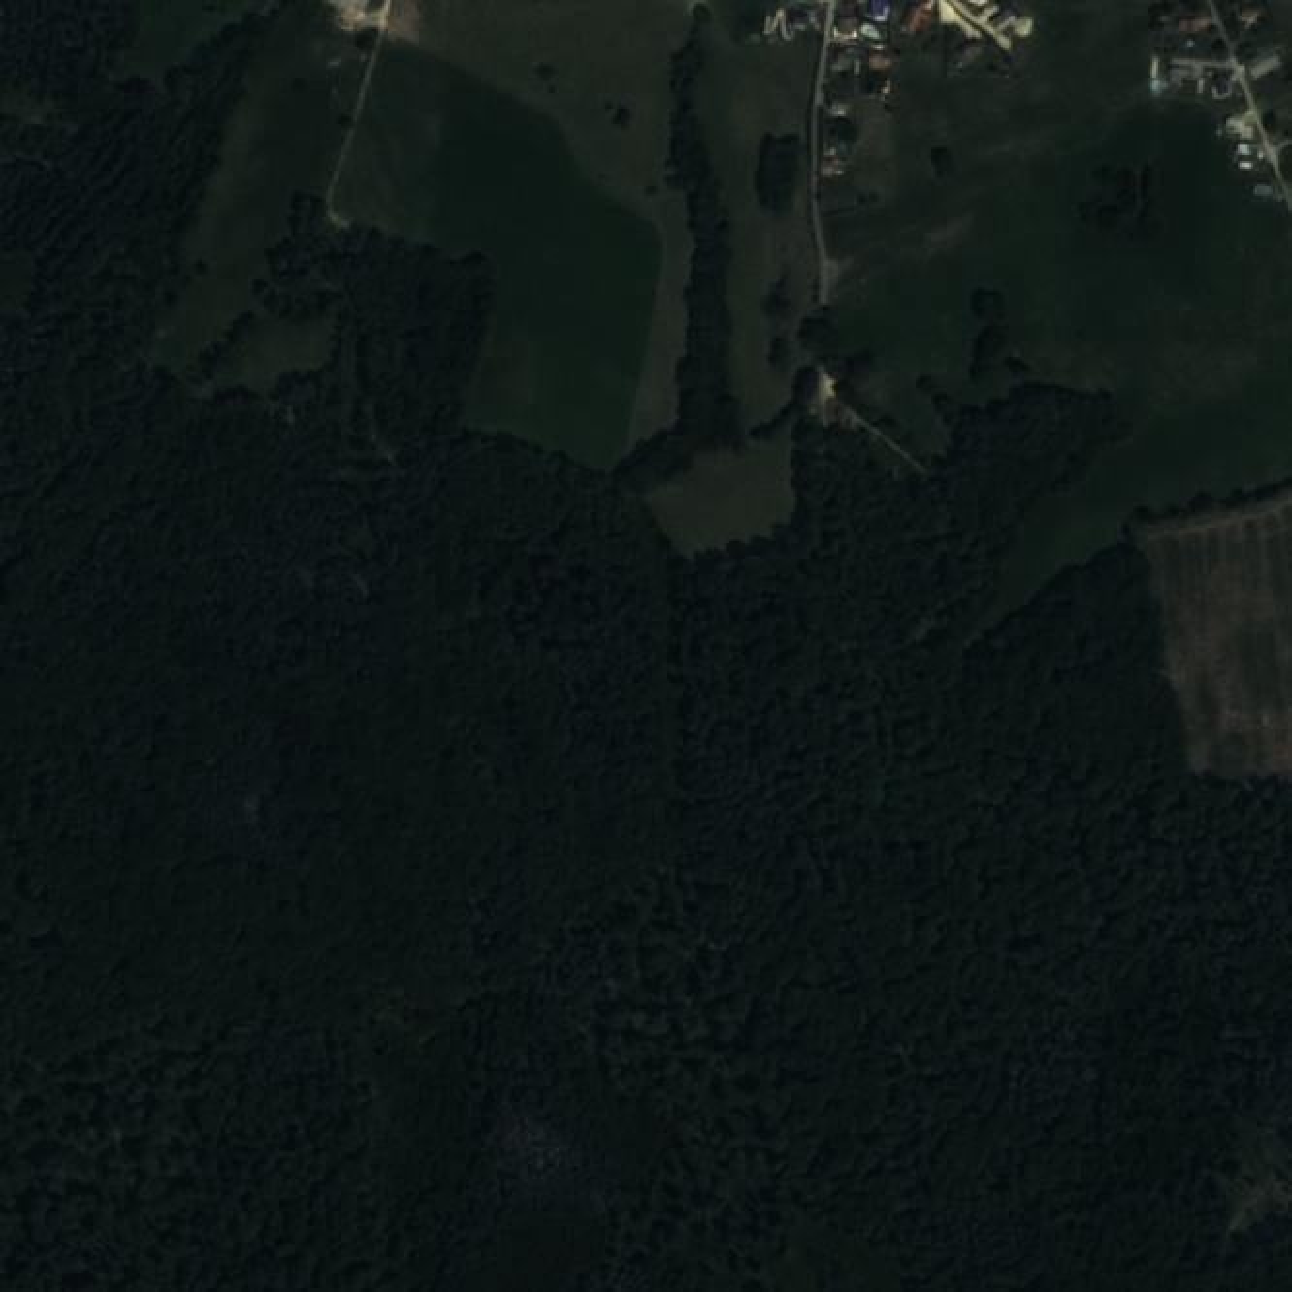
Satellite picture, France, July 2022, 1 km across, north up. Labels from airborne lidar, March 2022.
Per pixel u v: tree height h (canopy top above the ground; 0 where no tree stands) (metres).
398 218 0
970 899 29
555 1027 18
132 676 16
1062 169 0
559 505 38
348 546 20
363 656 17
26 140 16
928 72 0
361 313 14
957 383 0
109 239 21
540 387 0
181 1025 22
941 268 0
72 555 22
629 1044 28
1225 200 0
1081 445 20
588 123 0
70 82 19
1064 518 0
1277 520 0
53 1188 26
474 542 10
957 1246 25
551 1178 23
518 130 0
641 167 0
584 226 0
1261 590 0
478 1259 8
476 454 34
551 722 25
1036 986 24
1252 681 0
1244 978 27
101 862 24
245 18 0
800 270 0
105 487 31
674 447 19
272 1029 20
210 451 20
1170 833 28
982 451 28
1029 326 0
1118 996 7
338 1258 24
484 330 21
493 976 29
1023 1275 21
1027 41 0
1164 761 34
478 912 33
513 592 8
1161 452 0
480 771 36
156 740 23
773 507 0
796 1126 24
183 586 16
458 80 0
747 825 25
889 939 28
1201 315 0
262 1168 20
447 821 37
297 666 26
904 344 0
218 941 27
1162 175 0
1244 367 0
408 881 29
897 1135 23
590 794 25
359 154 0
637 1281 22
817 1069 28
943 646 28
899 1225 24
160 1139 26
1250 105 0
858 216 0
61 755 24
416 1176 6
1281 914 23
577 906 27
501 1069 9
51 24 21
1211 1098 21
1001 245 0
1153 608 24
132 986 25
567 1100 19
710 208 25
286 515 16
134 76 0
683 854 18
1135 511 0
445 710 32
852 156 0
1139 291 0
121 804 21
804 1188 28
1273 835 23
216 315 0
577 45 0
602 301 0
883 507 22
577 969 24
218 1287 24
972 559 31
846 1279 24
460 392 16
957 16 0
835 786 25
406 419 16
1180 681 0
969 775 23
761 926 26
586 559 33
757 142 0
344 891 26
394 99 0
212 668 19
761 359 0
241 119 0
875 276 0
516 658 37
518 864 33
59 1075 28
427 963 33
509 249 0
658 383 0
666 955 20
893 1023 23
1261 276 0
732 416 17
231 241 0
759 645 28
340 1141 25
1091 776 26
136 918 30
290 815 21
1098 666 33
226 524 16
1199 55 0
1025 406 28
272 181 0
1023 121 0
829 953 26
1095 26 0
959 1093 25
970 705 29
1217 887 27
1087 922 25
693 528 0
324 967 26
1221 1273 24
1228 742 0
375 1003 24
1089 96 0
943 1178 25
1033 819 31
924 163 0
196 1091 24
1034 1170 27
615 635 28
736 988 26
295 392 24
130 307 19
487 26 0
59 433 22
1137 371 0
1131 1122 21
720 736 20
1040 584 0
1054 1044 30
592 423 0
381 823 26
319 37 0
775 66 0
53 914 25
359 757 29
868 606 21
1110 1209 21
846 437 21
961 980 26
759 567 28
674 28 0
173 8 0
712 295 18
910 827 27
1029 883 27
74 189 20
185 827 21
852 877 25
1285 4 0
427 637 27
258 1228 15
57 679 16
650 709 16
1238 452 0
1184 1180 16
